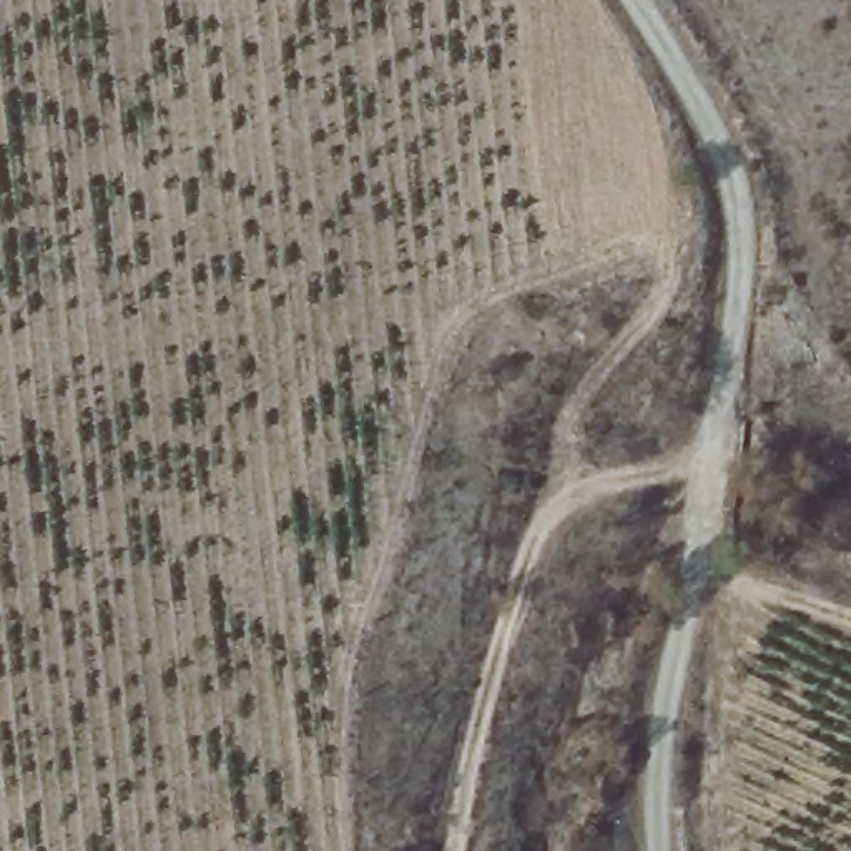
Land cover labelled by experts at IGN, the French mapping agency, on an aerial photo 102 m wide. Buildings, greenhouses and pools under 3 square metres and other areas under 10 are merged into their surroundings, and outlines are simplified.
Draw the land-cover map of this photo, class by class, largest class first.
<instances>
[{"label":"vineyard","instance_id":"1","mask_svg":"<svg viewBox=\"0 0 851 851\"><path fill-rule=\"evenodd\" d=\"M671 126V116L668 110L655 106L628 40L612 23L602 0H0V851H352L349 735L359 708V691L352 685V671L362 648V635L379 615L382 598L389 592L396 555L409 539L406 502L419 495V459L426 426L432 419V402L449 382L442 376V362L455 346V336L469 332V319L485 306L515 299L522 293H545L552 283L572 279L578 273H595L598 283H608L615 276H652L662 263L675 259L678 243L691 239V233L705 219L691 206L688 186H671L662 130ZM698 628L711 632V658L721 662L718 671H708L705 685V701L721 708L718 731L705 741L701 765L698 801L705 851H851V632L818 622L794 608H781L775 602H741L728 588H721L711 598V605H705L695 615Z\"/></svg>","mask_w":851,"mask_h":851},{"label":"bare soil","instance_id":"2","mask_svg":"<svg viewBox=\"0 0 851 851\"><path fill-rule=\"evenodd\" d=\"M612 23L628 40L655 106L668 110L671 116V126L662 130L671 186H688L691 206L705 219L691 233V239L678 243L675 259L681 283L668 303V316L618 362L608 382L588 402V416L582 419V459L595 469H615L691 445L698 435V422L708 409L711 389L725 386V376L731 369L728 349L721 346V309L728 293V229L718 189L721 173L715 170L708 143L698 136L662 60L635 27L622 0H602ZM688 66L705 80V90L715 110L721 113L728 133L725 143H735L741 150V160L735 166L748 173L755 223L751 303L745 326V379L735 399L741 449L748 459L761 462H768L771 455L791 459L794 452H804V459L814 465V489H808L804 502L794 509L798 525L791 535H778L761 522H745L735 529L725 522L721 532L708 542V548L715 565L728 578L745 572L751 578L775 582L785 588H794L801 582L814 585L821 595L841 605H851V0H655ZM655 286L652 276H615L608 283H598L595 273H578L572 279L552 283L545 293H522L515 299L485 306L469 319V332L455 336V346L442 362V376L449 382L432 402V419L426 426L419 459V495L406 502L409 539L396 555L389 592L382 598L379 615L362 635V648L352 671V685L359 691V708L349 735L352 851H445L452 791L459 785V748L465 738L495 618L509 612L512 598H525L529 608L512 642L502 695L495 701L465 851H645L642 775L652 751L648 718L662 648L668 642V632L678 628L668 608L678 605L675 588H685V482L675 479L638 492L602 495L592 509L568 515L548 535L535 572L512 575V558L548 485L552 435L565 396L582 382L588 366L598 359V352L608 349L618 329L635 316V309H642L648 289ZM721 662L711 658V632L698 628L675 718L678 745L668 808V851H705L698 801L701 765L705 741L718 731L721 708L705 701V685L708 671H718Z\"/></svg>","mask_w":851,"mask_h":851},{"label":"pervious surface","instance_id":"3","mask_svg":"<svg viewBox=\"0 0 851 851\"><path fill-rule=\"evenodd\" d=\"M635 27L662 60L698 136L708 143L715 170L721 173L718 189L728 229V293L721 309V346L728 349L731 369L725 376V386L711 389L708 409L698 422V435L691 445L615 469H595L582 459V419L588 416V402L608 382L618 362L668 316V303L681 283L675 259L662 263L652 276L655 286L648 289L642 309H635V316L618 329L608 349L598 352V359L588 366L582 382L565 396L552 435L548 485L512 558V575L535 572L548 535L568 515L592 509L602 495L638 492L675 479L685 482V588H675L678 605L668 608L678 628L668 632V642L662 648L648 718L652 751L642 775L645 851H668V808L678 745L675 718L698 628L695 615L705 605H711V598L721 588H728L741 602H775L781 608H794L818 622L851 632V605H841L821 595L814 585L801 582L794 588H785L775 582L751 578L745 572L728 578L715 565L708 548V542L721 532L725 522L728 465L741 449L735 399L745 379V326L751 303L755 223L748 173L735 166L741 160V150L735 143H725L728 133L721 113L715 110L705 90V80L688 66L655 0H622ZM529 608L525 598H512L509 612L495 618L465 738L459 748V785L452 791L445 851H465L495 701L502 695L512 642Z\"/></svg>","mask_w":851,"mask_h":851},{"label":"coniferous trees","instance_id":"4","mask_svg":"<svg viewBox=\"0 0 851 851\"><path fill-rule=\"evenodd\" d=\"M808 489H814V465L804 459V452H794L791 459L771 455L768 462H761L748 459L741 449L728 465L725 522L735 529L745 522H761L778 535H791L798 525L794 509L804 502Z\"/></svg>","mask_w":851,"mask_h":851}]
</instances>
